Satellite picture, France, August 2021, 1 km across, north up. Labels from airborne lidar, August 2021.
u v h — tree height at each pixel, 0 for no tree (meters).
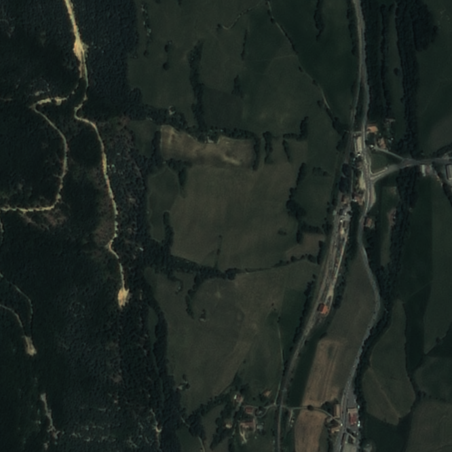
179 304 0
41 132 14
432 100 0
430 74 0
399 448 0
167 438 17
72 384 13
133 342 18
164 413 14
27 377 12
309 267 0
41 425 10
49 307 13
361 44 0
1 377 16
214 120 0
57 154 9
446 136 0
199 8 0
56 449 13
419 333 0
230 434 10
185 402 0
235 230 0
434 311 0
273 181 0
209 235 0
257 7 0
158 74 0
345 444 0
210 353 0
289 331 0
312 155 0
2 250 17
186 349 0
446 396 0
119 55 18
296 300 0
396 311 0
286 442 0
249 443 0
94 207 18
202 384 0
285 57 0
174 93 0
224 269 0
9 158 11
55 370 11
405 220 12
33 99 14
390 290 14
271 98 0
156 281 0
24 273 16
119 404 8
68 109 17
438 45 0
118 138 10
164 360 13
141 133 0
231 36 0
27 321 16
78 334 16
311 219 0
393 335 0
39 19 12
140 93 12
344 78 0
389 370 0
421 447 0
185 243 0
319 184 0
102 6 16
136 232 18
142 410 6
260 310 0
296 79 0
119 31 14
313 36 0
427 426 0
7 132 12
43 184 16
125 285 8
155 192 0
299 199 0
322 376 0
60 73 16
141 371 22
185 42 0
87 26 8
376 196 0
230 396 8
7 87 16
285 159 0
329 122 0
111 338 21
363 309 0
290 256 0
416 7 16
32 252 24
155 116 10
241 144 0
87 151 19
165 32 0
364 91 7
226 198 0
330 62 0
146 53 10
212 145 0
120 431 14
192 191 0
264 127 0
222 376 0
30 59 11
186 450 0
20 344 15
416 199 20
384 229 0
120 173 6
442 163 0
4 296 22
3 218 17
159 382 14
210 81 0
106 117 9
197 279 11
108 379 10
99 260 7
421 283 0
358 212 9
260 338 0
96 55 11
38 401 12
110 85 22
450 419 0
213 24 0
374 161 0
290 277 0
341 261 0
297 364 0
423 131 0
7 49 8
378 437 0
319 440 0
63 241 13
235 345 0
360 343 0
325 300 0
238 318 0
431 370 0
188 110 0
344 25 0
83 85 12
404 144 20
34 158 13
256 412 6
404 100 13
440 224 0
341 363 0
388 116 11
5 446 18
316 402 0
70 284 14
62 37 10
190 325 0
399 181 13
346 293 0
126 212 14
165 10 0
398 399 0
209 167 0
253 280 0
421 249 0
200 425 16
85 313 14
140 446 10
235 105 0
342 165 0
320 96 0
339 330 0
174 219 0
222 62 0
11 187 12
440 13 0
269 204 0
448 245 0
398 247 11
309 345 7
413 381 9
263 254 0
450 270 0
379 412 0
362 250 0
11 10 12
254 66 0
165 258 12
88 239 9
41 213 12
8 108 23
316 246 0
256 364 0
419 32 20
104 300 17
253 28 0
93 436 9
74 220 8
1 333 17
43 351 13
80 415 16
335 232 0
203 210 0
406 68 12
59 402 15
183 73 0
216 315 0
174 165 9
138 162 13
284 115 0
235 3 0
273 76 0
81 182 11
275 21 17
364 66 0
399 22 13
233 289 0
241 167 0
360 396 9
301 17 0
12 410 17
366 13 19
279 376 0
